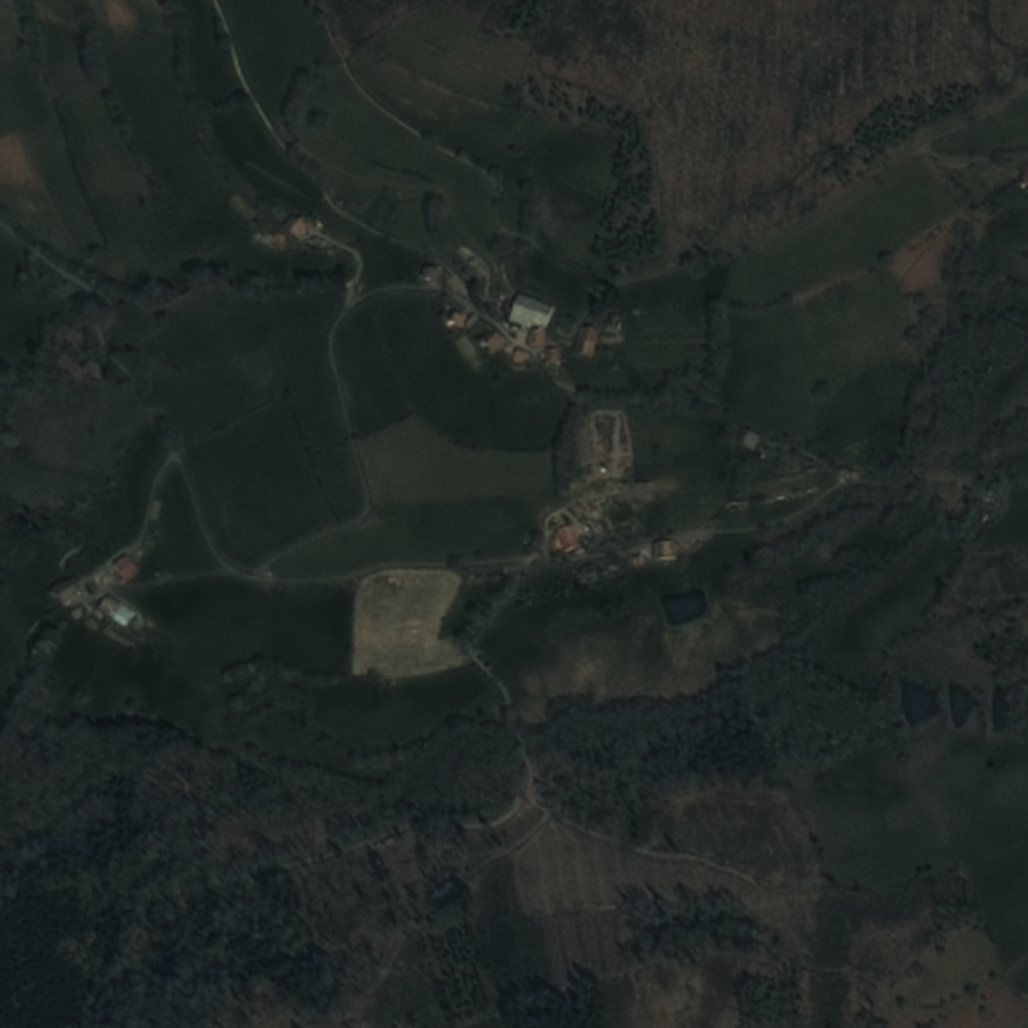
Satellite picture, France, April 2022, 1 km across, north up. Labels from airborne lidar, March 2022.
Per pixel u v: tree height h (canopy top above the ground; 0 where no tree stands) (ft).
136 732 93
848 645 0
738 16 0
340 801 67
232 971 47
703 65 0
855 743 76
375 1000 0
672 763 75
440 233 57
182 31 73
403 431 0
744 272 0
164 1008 83
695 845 0
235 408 0
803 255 0
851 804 0
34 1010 24
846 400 0
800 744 69
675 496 0
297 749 0
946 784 0
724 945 85
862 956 0
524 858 0
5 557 0
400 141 0
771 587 24
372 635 0
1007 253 0
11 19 0
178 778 88
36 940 26
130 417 0
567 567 56
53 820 104
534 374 0
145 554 0
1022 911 0
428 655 0
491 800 54
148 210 45
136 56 0
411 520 0
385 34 0
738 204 0
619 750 74
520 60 0
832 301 0
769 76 0
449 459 0
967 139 0
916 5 0
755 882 0
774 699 66
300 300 0
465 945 33
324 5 0
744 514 0
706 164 0
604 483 0
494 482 0
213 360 0
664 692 0
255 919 40
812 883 0
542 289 0
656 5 0
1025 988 0
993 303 0
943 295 0
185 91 56
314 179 65
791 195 0
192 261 0
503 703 23
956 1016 0
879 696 26
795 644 54
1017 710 47
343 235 0
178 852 91
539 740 66
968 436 76
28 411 0
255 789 89
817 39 0
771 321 0
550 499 0
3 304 0
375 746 0
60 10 0
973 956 0
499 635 0
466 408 0
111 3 0
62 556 0
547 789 21
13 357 0
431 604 0
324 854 80
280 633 0
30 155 0
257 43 0
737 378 0
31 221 0
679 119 0
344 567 0
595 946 0
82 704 57
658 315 0
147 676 0
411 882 0
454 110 0
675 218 0
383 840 83
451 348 0
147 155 0
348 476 0
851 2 0
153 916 45
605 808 21
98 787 105
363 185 0
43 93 0
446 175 0
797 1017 38
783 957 70
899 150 32
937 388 63
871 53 0
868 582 65
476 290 23
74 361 24
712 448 0
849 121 0
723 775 81
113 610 0
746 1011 67
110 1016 44
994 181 0
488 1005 34
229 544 0
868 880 0
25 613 0
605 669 0
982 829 0
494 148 0
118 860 66
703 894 0
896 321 0
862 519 55
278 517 0
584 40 0
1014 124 0
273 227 0
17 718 83
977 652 45
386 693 0
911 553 50
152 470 0
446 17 0
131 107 0
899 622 0
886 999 0
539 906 0
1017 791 0
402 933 75
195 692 0
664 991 0
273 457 0
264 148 0
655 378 0
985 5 0
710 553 0
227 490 0
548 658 0
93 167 0
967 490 71
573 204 0
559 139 0
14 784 91
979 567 0
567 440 68
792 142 0
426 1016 0
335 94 0
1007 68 0
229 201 0
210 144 0
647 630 0
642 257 30
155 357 0
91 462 0
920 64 0
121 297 72
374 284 0
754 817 0
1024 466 46
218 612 0
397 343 0
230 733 0
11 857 52
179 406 0
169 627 0
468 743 57
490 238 0
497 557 0
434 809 52
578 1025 91
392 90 0
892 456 0
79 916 26
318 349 0
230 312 0
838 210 0
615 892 0
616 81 0
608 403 63
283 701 51
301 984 30
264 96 0
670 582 0
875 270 0
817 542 68
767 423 0
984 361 70
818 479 0
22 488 0
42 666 59
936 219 0
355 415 0
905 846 0
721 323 85
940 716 0
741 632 0
